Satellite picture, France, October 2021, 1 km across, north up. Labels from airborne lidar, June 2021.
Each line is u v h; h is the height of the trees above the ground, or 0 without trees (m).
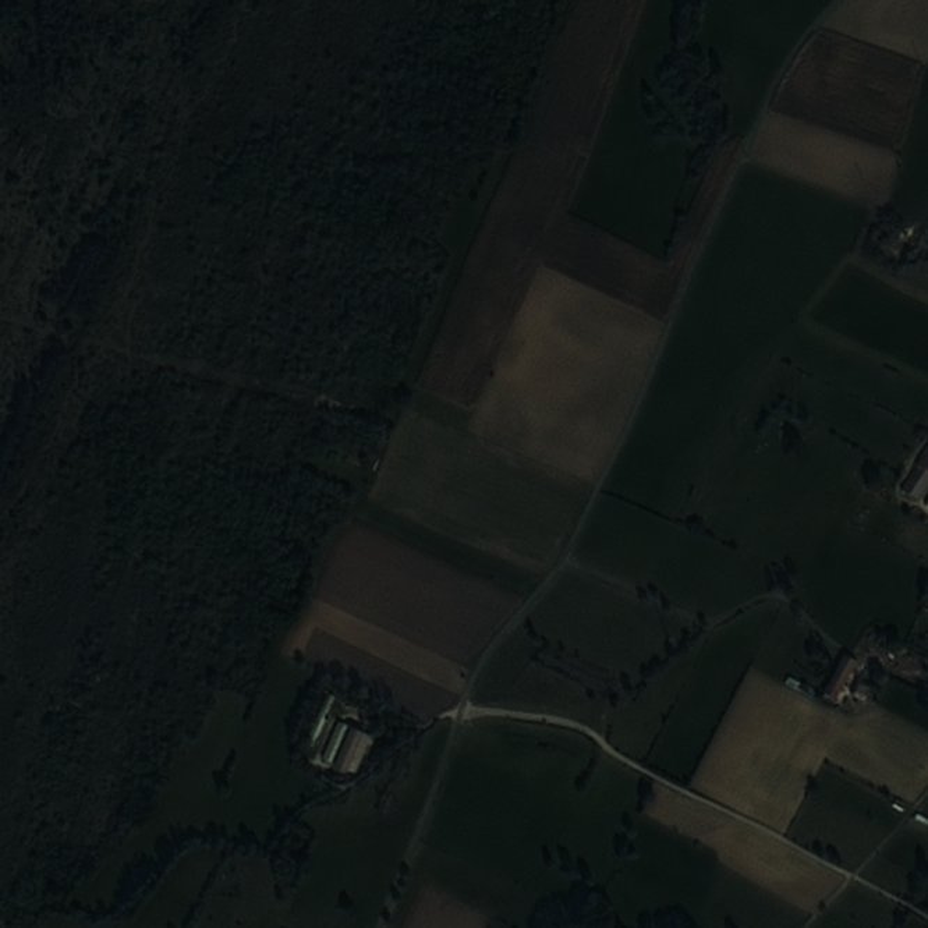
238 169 12
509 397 0
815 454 0
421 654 0
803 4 0
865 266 0
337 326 8
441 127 22
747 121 0
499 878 0
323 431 14
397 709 13
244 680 9
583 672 0
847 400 0
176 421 7
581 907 17
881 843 0
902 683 6
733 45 0
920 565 0
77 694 11
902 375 0
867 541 0
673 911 0
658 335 0
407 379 0
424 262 15
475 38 24
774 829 0
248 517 9
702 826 0
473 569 0
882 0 0
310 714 8
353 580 0
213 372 0
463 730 0
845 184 0
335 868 0
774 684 0
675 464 0
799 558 0
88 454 14
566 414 0
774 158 0
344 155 10
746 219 0
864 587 0
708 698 0
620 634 0
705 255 0
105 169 10
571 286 0
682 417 0
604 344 0
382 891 0
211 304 8
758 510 0
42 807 5
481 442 0
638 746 0
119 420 10
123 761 10
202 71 9
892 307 0
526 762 0
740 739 0
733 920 0
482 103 27
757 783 0
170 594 7
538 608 0
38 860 12
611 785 0
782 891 0
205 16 11
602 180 0
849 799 0
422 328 11
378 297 15
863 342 0
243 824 0
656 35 0
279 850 11
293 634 0
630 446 0
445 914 0
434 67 12
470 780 0
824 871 0
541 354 0
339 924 0
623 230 0
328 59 9
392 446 0
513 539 0
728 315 0
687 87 10
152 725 9
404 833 0
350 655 0
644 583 0
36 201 6
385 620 0
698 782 0
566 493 0
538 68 9
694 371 0
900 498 0
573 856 0
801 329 0
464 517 0
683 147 0
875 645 8
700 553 0
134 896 17
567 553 0
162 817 0
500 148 16
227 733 0
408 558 0
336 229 11
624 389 0
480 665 0
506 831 0
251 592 16
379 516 0
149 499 16
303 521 13
